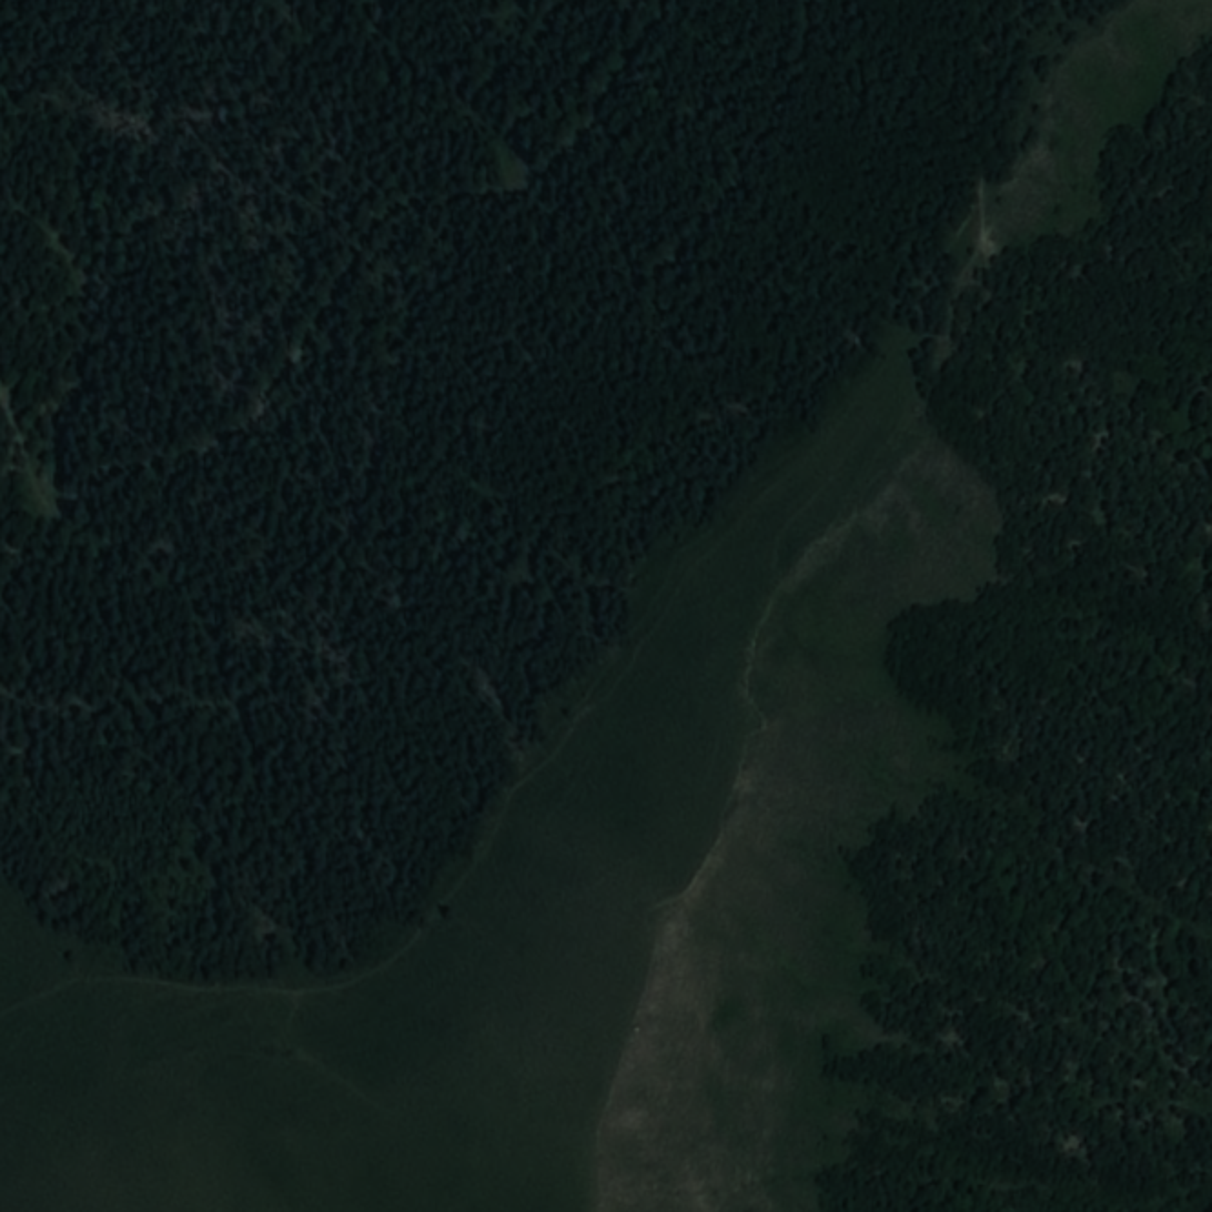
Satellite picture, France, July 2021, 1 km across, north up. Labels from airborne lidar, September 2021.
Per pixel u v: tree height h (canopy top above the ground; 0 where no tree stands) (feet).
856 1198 44
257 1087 0
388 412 78
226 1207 0
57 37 49
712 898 0
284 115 62
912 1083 47
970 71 45
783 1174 0
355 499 73
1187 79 61
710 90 43
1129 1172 77
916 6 49
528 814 0
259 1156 0
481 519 39
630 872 0
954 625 43
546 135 60
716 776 0
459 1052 0
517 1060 0
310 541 75
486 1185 0
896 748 0
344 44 49
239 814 69
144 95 39
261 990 0
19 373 57
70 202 41
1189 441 80
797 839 0
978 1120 34
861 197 36
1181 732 73
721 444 44
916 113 56
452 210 57
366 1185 0
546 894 0
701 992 0
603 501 67
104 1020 0
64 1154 0
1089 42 0
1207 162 41
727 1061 0
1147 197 42
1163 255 72
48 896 44
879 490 0
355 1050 0
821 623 0
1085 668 78
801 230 50
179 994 0
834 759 0
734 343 57
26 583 88
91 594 62
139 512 96
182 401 45
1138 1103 19
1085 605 30
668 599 0
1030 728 88
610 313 55
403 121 76
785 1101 0
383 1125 0
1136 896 35
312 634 70
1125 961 45
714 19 56
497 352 62
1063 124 0
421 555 51
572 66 62
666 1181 0
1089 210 0
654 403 62
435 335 68
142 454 89
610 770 0
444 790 53
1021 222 0
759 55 49
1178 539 114
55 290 62
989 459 32
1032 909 86
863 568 0
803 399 60
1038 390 56
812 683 0
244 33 69
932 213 51
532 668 72
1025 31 32
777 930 0
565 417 70
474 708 56
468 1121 0
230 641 63
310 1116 0
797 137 74
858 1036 0
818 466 0
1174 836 65
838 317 50
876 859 64
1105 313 65
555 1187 0
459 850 63
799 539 0
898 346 0
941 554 0
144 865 39
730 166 77
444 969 0
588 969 0
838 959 0
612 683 0
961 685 71
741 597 0
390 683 49
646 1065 0
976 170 55
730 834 0
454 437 84
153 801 59
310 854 60
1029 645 79
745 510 0
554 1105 0
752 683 0
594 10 73
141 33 61
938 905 55
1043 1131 50
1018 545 33
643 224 47
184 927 32
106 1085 0
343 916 52
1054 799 63
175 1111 0
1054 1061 82
